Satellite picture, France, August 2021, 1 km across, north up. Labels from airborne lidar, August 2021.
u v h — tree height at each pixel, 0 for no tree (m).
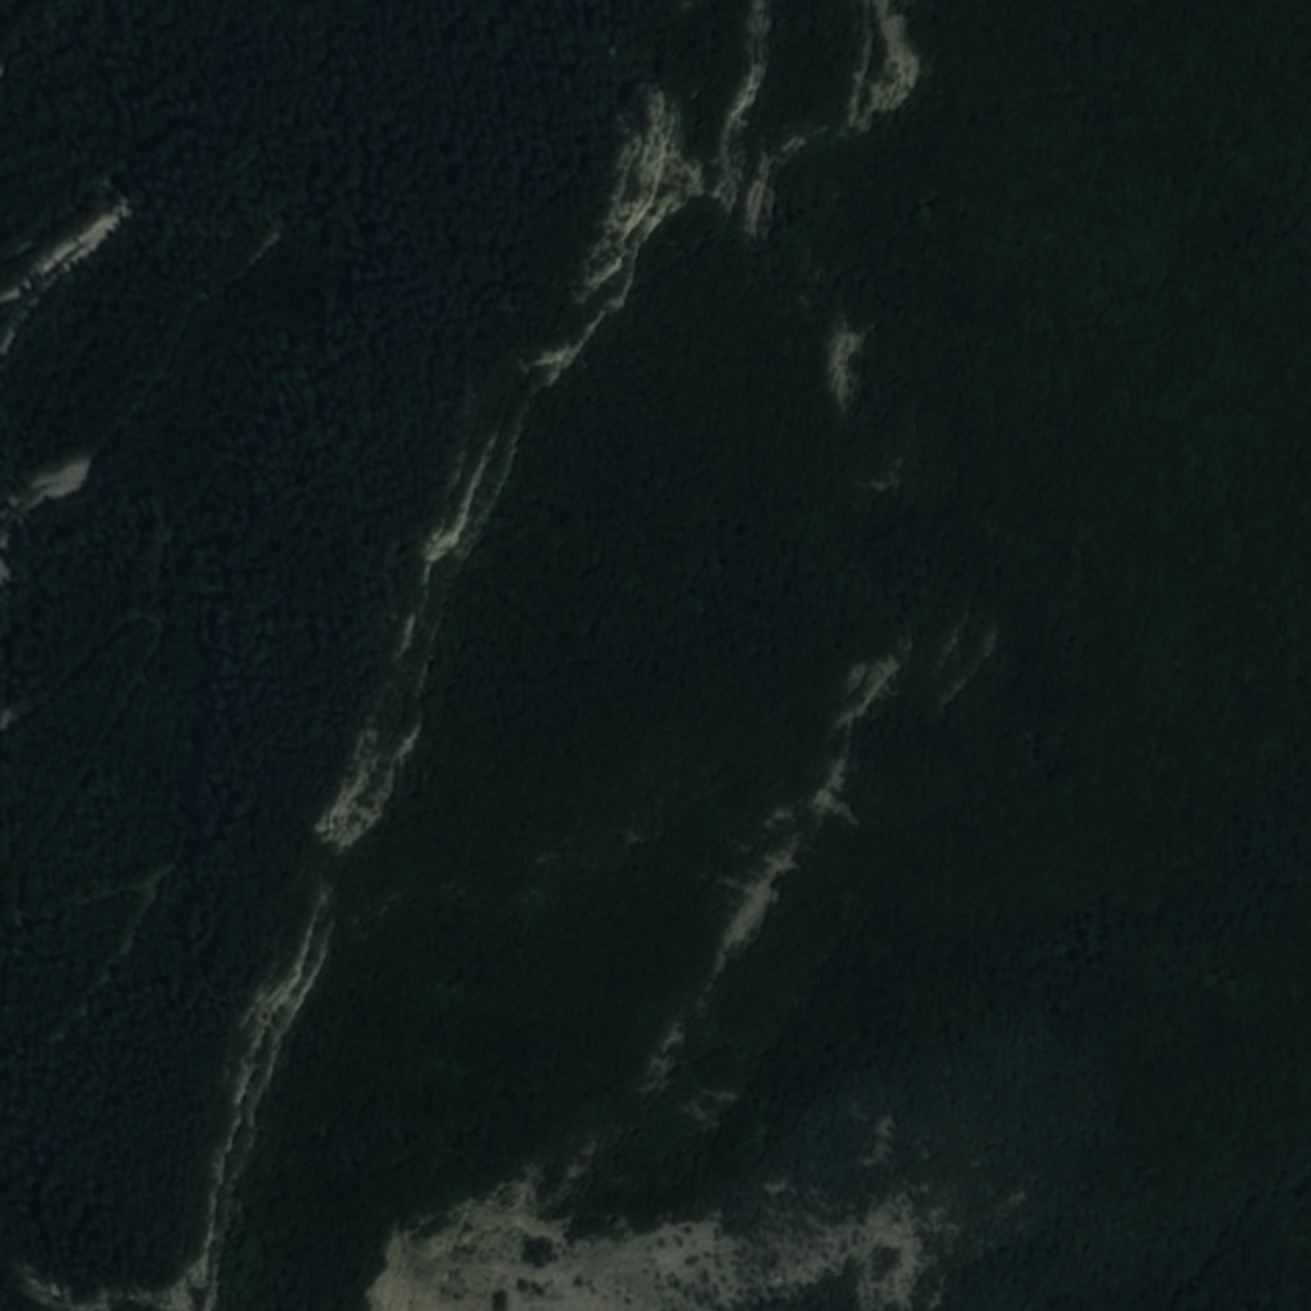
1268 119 21
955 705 19
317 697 27
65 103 24
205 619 12
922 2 8
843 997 23
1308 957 17
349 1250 23
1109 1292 16
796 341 19
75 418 11
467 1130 7
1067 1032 16
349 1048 23
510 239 21
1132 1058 20
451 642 26
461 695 26
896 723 21
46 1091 12
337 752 12
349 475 18
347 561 24
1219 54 23
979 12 25
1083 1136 12
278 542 23
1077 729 17
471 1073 21
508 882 13
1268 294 21
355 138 26
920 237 25
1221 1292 26
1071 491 21
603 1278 0
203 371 7
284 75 32
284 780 28
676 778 10
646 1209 20
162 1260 9
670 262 22
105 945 7
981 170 19
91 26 27
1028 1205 7
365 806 9
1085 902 18
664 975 16
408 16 31
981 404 25
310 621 15
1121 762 20
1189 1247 22
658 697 19
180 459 11
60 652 13
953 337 25
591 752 17
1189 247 17
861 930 10
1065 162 22
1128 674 19
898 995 22
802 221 24
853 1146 10
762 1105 23
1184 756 23
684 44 18
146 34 24
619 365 25
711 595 26
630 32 15
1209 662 20
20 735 11
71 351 7
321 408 15
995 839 20
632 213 8
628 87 13
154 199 23
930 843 20
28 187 11
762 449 26
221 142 32
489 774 18
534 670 28
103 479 7
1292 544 29
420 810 17
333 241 24
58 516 12
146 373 7
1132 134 24
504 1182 16
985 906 24
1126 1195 13
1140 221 22
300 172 31
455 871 12
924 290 25
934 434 19
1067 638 23
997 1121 9
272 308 8
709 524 26
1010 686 13
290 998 20
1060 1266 14
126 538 18
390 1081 27
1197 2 22
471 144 32
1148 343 24
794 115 16
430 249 31
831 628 20
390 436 9
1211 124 26
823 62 21
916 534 24
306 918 10
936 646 10
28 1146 6
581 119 22
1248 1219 14
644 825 10
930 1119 7
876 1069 18
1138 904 23
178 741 8
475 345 21
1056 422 27
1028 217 23
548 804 17
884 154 20
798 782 12
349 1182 22
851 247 20
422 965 21
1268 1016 23
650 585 26
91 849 9
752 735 12
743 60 19
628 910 17
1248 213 19
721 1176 10
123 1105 14
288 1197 21
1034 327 27
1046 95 19
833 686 17
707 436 25
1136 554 25
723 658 17
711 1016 11
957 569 15
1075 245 25
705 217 19
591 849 10
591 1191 11
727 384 25
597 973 16
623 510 31
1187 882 26
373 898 10
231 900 23
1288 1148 12
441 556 10
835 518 20
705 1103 7
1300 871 22
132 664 10
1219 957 23
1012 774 24
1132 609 23
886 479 10
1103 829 20
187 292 5
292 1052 15
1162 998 17
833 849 13
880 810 13
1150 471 25
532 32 20
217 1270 12
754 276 18
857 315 12
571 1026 20
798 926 15
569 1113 18
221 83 30
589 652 30
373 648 11
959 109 23
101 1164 14
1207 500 26
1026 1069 7
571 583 27
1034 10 25
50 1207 13
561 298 13
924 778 16
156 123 25
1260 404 25
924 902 23
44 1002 7
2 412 30
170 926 6
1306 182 17
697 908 16
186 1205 7
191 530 7
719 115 21
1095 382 24
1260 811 25
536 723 24
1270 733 23
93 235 0
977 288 22
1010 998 23
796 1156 7
